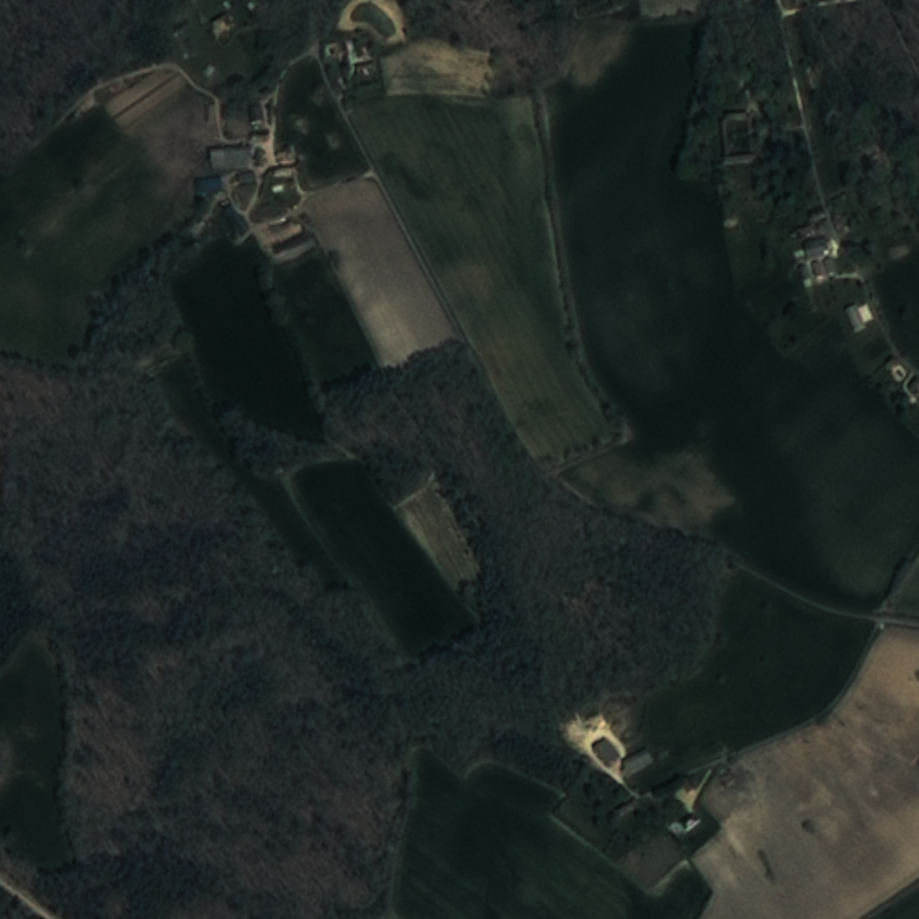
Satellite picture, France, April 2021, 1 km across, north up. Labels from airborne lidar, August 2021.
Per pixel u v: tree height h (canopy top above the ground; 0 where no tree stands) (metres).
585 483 0
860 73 13
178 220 0
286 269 0
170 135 0
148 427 18
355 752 21
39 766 0
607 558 22
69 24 12
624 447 0
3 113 13
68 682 20
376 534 0
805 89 0
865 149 21
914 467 0
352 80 8
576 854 0
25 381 16
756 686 0
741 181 0
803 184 9
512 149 0
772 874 10
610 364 0
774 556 0
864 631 0
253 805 22
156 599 21
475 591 15
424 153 0
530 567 21
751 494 0
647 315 0
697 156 9
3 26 11
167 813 14
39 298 0
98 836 18
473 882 0
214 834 21
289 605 25
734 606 0
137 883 28
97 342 18
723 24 21
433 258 0
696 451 0
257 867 21
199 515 15
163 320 21
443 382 23
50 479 19
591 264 0
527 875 0
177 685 22
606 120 0
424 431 16
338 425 21
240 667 22
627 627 22
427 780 0
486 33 17
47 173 0
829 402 0
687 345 0
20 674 0
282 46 18
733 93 17
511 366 0
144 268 17
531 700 23
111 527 22
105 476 15
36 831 0
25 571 20
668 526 0
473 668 20
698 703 0
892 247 0
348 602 22
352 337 0
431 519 0
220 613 18
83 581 20
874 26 15
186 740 24
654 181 0
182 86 0
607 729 0
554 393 0
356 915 21
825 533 0
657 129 0
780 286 0
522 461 17
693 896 0
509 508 22
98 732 20
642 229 0
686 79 0
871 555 0
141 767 18
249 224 0
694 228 0
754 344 0
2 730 0
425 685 26
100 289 0
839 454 0
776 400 0
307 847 14
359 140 0
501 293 0
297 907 23
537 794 0
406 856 0
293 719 21
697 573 22
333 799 16
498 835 0
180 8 19
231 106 7
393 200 0
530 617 23
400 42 0
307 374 7
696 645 25
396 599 0
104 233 0
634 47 0
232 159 0
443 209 0
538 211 0
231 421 25
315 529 0
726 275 0
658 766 0
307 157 0
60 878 14
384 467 12
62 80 14
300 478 0
